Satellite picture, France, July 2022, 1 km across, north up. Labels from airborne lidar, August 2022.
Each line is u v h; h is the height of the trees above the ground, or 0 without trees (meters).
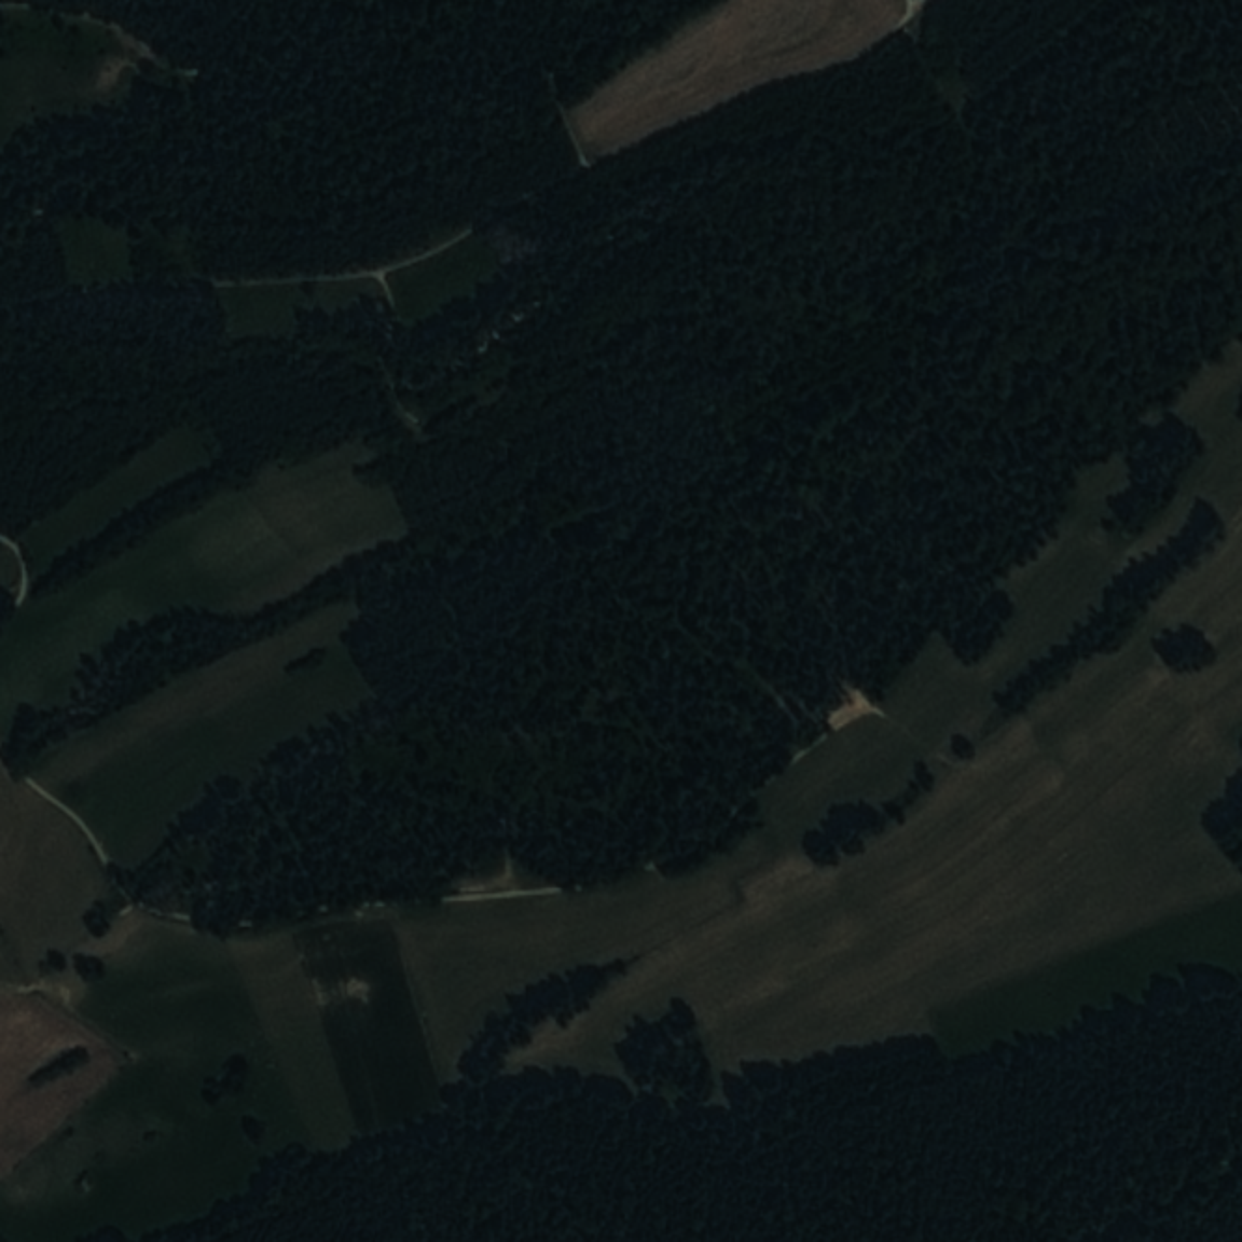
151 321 24
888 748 0
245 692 0
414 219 20
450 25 15
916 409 13
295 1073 0
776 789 0
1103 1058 25
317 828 21
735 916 0
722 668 8
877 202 17
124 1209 0
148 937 0
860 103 10
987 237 30
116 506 0
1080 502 0
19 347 15
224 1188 0
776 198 13
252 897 25
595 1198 27
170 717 0
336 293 0
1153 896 0
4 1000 0
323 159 13
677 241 19
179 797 0
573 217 19
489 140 18
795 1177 28
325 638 0
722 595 8
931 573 28
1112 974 0
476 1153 29
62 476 16
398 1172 26
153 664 13
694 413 37
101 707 16
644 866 8
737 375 22
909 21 0
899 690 0
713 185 16
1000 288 32
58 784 0
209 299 21
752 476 15
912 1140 25
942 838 0
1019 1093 26
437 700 22
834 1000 0
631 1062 31
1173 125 18
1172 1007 26
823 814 0
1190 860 0
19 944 0
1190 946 0
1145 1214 27
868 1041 0
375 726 20
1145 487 27
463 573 30
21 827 0
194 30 18
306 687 0
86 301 24
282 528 0
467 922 0
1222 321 31
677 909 0
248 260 15
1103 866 0
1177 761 0
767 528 12
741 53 0
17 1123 0
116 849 0
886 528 17
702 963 0
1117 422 30
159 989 0
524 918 0
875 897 0
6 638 0
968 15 10
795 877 0
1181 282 19
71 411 17
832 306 18
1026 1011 0
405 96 13
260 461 13
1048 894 0
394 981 0
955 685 0
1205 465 0
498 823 20
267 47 17
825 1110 23
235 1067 17
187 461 0
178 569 0
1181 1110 30
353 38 19
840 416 10
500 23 9
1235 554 0
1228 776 0
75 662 0
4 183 26
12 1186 0
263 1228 18
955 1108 24
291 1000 0
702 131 9
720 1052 0
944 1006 0
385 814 14
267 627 17
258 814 7
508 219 14
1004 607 30
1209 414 0
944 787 0
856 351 7
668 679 28
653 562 22
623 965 11
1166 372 32
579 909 0
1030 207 17
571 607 17
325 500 0
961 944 0
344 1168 13
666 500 25
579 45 8
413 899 19
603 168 12
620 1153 29
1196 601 0
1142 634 0
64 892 0
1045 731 0
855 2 0
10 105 0
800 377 7
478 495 12
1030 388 30
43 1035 0
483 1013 0
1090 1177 34
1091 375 32
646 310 12
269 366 13
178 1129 0
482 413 9
